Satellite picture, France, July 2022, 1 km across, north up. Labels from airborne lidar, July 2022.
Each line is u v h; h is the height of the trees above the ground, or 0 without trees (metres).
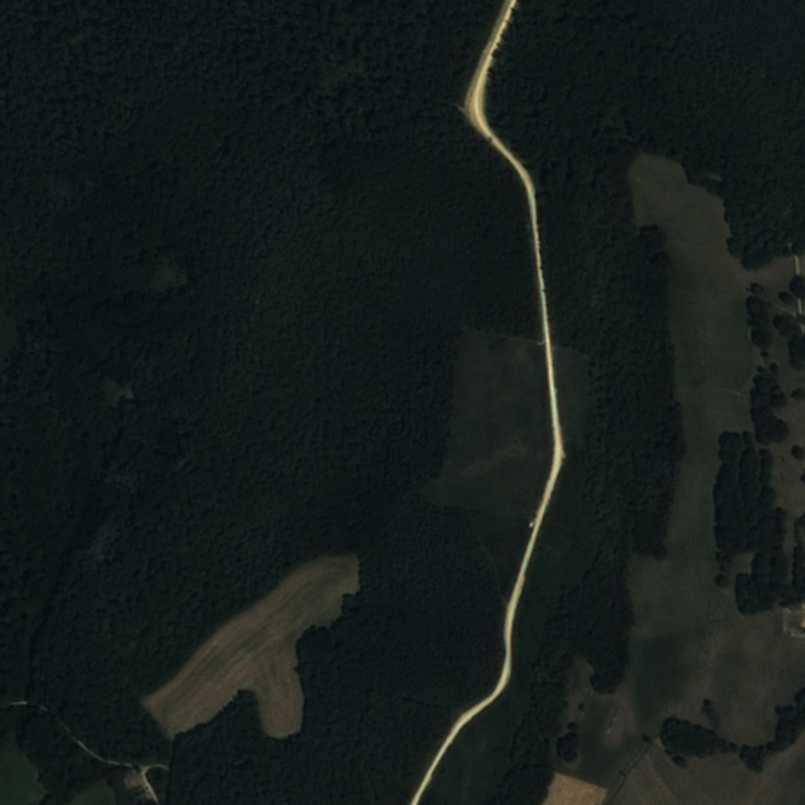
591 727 0
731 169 22
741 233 13
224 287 15
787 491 0
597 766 0
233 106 23
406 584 10
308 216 11
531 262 12
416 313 13
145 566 19
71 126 24
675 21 10
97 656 20
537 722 18
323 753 16
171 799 13
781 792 0
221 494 20
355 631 18
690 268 0
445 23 21
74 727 20
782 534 14
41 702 22
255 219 14
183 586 13
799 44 9
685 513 0
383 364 15
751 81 12
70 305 23
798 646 0
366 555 11
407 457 20
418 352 19
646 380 23
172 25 21
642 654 0
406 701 13
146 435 18
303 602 0
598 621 20
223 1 17
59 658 27
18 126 18
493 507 0
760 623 0
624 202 18
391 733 12
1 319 0
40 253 17
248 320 7
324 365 15
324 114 15
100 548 27
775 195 11
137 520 22
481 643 12
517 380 0
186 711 0
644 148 18
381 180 14
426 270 14
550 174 26
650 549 15
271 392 15
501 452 0
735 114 16
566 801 0
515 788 23
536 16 16
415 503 13
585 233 14
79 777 14
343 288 15
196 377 21
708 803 0
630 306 15
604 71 19
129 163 26
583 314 13
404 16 19
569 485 0
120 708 15
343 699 10
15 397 28
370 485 15
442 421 16
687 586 0
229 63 17
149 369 19
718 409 0
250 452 16
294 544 16
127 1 24
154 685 12
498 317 10
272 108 17
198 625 7
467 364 0
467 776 0
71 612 25
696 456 0
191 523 19
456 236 14
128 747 23
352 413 19
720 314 0
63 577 22
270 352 13
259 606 0
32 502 24
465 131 19
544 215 16
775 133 10
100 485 18
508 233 12
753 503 20
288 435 10
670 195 0
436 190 13
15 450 26
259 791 16
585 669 0
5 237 20
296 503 16
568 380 0
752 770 9
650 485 22
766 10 11
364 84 19
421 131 15
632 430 19
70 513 16
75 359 24
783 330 18
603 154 26
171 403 24
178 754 16
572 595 14
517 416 0
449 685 6
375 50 22
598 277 13
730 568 10
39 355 27
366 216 9
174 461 20
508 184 11
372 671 10
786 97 9
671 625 0
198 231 17
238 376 9
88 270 19
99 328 23
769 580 11
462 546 6
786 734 17
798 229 12
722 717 0
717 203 0
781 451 0
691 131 19
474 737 0
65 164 21
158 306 16
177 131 24
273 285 6
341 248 11
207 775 19
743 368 0
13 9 14
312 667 18
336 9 22
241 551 16
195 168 18
